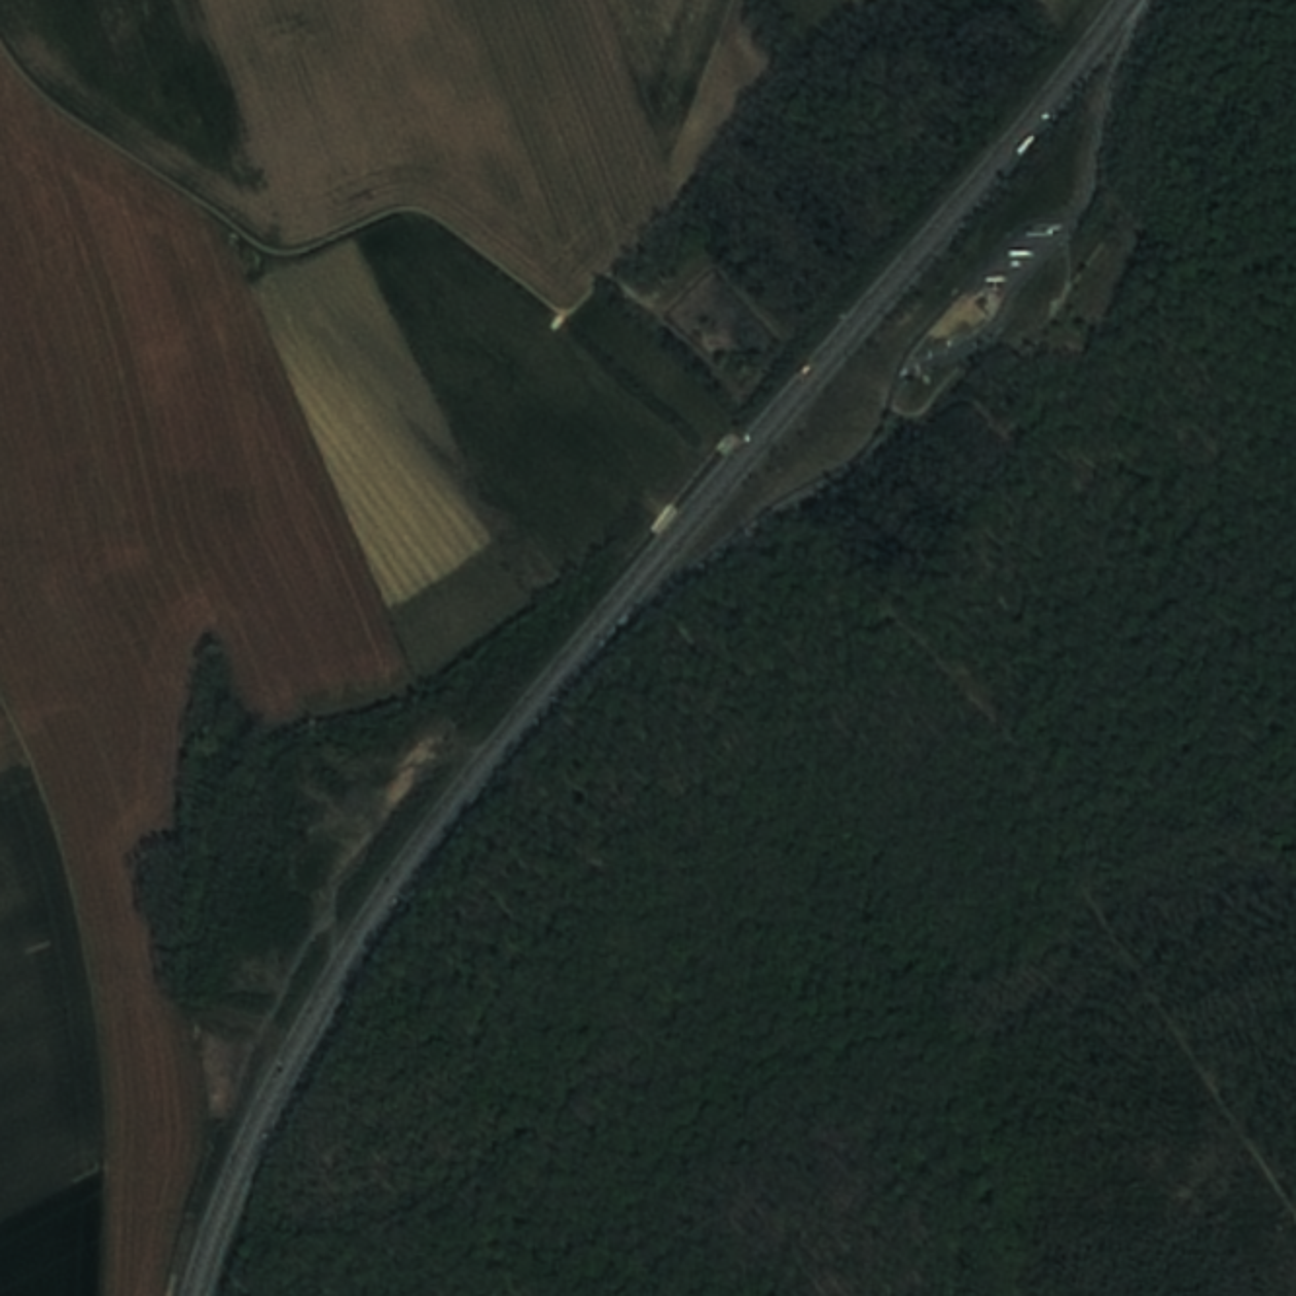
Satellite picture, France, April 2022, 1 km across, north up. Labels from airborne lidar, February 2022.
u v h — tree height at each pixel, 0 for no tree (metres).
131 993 0
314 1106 17
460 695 12
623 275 15
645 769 26
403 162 0
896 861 23
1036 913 28
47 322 0
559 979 23
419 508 0
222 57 0
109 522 0
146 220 0
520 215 0
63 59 0
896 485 16
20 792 0
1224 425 28
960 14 9
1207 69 20
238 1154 0
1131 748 26
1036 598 28
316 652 0
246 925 6
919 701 23
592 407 0
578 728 23
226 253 0
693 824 24
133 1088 0
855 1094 26
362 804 0
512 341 0
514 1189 26
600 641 0
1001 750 26
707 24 0
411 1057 18
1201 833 19
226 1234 0
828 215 19
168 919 20
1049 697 25
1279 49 18
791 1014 22
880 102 25
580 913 21
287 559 0
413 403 0
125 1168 0
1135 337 21
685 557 0
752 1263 19
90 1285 0
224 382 0
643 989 23
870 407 0
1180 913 14
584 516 0
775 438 0
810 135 20
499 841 24
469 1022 25
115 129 0
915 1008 26
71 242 0
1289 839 16
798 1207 30
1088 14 0
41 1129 0
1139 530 28
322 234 0
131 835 0
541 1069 22
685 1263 26
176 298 0
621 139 0
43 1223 0
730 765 25
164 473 0
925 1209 28
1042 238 0
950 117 21
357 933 0
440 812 0
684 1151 19
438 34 0
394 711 8
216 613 0
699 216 16
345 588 0
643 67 0
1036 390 24
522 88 0
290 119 0
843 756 24
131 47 0
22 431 0
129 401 0
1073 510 26
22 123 0
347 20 0
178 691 0
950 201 0
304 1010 0
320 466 0
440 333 0
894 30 25
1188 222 16
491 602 0
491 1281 25
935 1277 26
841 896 25
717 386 22
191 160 0
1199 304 24
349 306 0
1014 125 0
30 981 0
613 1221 28
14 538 0
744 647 24
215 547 0
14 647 0
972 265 0
